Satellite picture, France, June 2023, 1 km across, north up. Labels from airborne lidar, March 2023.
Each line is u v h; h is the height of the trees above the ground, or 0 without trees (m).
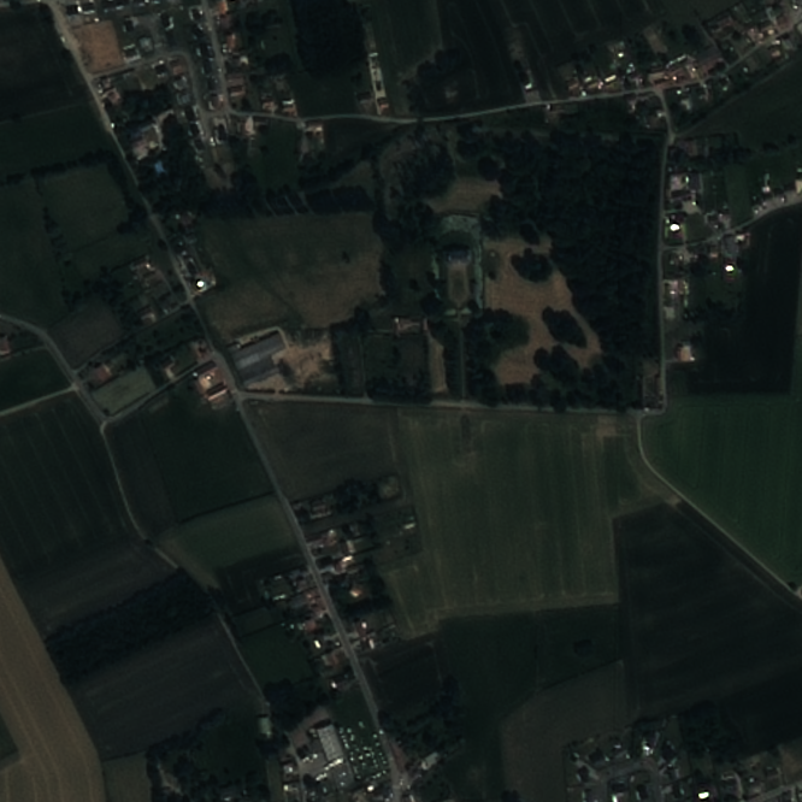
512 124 0
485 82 0
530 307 0
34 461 0
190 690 0
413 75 0
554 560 0
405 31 0
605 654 0
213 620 0
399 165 0
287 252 0
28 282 0
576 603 0
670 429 0
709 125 0
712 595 0
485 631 0
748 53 0
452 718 12
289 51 0
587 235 22
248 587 0
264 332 0
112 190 0
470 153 22
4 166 0
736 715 0
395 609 0
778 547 0
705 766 0
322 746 0
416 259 0
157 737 0
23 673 0
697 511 0
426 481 0
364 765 0
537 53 0
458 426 0
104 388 0
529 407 0
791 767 0
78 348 0
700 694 0
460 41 0
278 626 0
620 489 0
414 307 0
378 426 0
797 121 0
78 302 15
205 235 0
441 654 0
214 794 7
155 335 7
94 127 0
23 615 0
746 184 0
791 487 0
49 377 0
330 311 0
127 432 0
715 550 0
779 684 0
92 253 0
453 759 0
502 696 0
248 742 0
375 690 0
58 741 0
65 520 0
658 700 0
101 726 0
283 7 0
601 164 23
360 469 0
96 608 0
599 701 0
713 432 0
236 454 0
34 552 0
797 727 0
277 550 0
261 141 0
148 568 0
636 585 0
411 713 0
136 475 0
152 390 0
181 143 13
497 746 0
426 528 0
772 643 0
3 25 0
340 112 0
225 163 0
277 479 0
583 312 21
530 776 0
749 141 0
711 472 0
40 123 0
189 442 0
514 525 0
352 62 16
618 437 0
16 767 0
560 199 14
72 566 0
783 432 0
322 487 0
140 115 15
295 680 0
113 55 0
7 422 0
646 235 24
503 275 0
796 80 0
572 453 0
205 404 0
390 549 0
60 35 0
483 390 14
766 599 0
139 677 0
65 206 0
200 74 0
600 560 0
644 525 0
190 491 0
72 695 0
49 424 0
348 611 8
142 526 0
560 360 23
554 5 0
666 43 0
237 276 0
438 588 0
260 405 0
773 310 0
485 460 0
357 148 0
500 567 0
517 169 21
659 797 0
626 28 0
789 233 0
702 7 0
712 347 0
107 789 0
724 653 0
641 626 0
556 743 0
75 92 0
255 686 0
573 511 0
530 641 0
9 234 0
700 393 0
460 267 0
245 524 0
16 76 0
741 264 11
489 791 0
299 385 0
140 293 0
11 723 0
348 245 0
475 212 0
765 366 0
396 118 0
